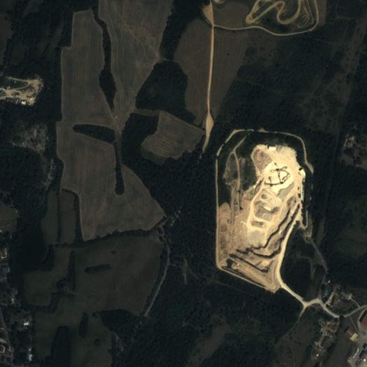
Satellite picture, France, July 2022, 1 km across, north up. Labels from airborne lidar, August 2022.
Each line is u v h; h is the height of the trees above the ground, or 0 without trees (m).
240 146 0
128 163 9
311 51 9
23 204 8
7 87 0
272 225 0
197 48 0
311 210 15
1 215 0
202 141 6
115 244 0
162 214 0
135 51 0
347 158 0
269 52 0
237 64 0
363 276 6
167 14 0
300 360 0
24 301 13
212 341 0
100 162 0
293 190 0
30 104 0
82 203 0
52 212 0
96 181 0
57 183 7
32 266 18
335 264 9
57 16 18
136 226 0
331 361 0
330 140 8
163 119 0
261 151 0
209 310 10
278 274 0
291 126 5
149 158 0
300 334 0
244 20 0
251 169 0
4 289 19
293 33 0
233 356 11
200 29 0
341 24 5
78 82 0
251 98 10
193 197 20
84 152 0
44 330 0
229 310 6
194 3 21
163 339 7
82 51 0
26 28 16
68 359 19
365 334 0
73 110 0
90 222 0
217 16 0
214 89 0
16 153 9
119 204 0
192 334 9
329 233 8
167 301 8
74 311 0
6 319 14
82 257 0
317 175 15
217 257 0
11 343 6
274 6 0
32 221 15
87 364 0
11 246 19
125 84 0
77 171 0
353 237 0
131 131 9
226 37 0
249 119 6
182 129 0
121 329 12
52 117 10
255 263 0
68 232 0
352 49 0
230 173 0
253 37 0
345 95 0
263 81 10
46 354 0
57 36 0
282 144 11
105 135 5
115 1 0
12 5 0
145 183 13
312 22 0
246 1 0
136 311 0
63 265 0
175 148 0
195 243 20
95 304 0
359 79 10
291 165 0
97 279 0
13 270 20
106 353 0
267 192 0
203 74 0
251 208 0
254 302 9
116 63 0
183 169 8
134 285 0
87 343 0
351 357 0
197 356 0
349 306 0
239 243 0
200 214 20
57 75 8
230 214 0
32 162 14
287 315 14
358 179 14
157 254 0
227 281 7
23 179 16
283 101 8
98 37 0
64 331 16
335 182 14
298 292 10
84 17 0
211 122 0
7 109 15
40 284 0
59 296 6
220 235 0
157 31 0
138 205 0
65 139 0
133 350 10
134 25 0
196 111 0
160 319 8
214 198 9
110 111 0
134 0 0
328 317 13
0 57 0
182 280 8
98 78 0
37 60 8
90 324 0
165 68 9
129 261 0
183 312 12
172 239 18
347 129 16
